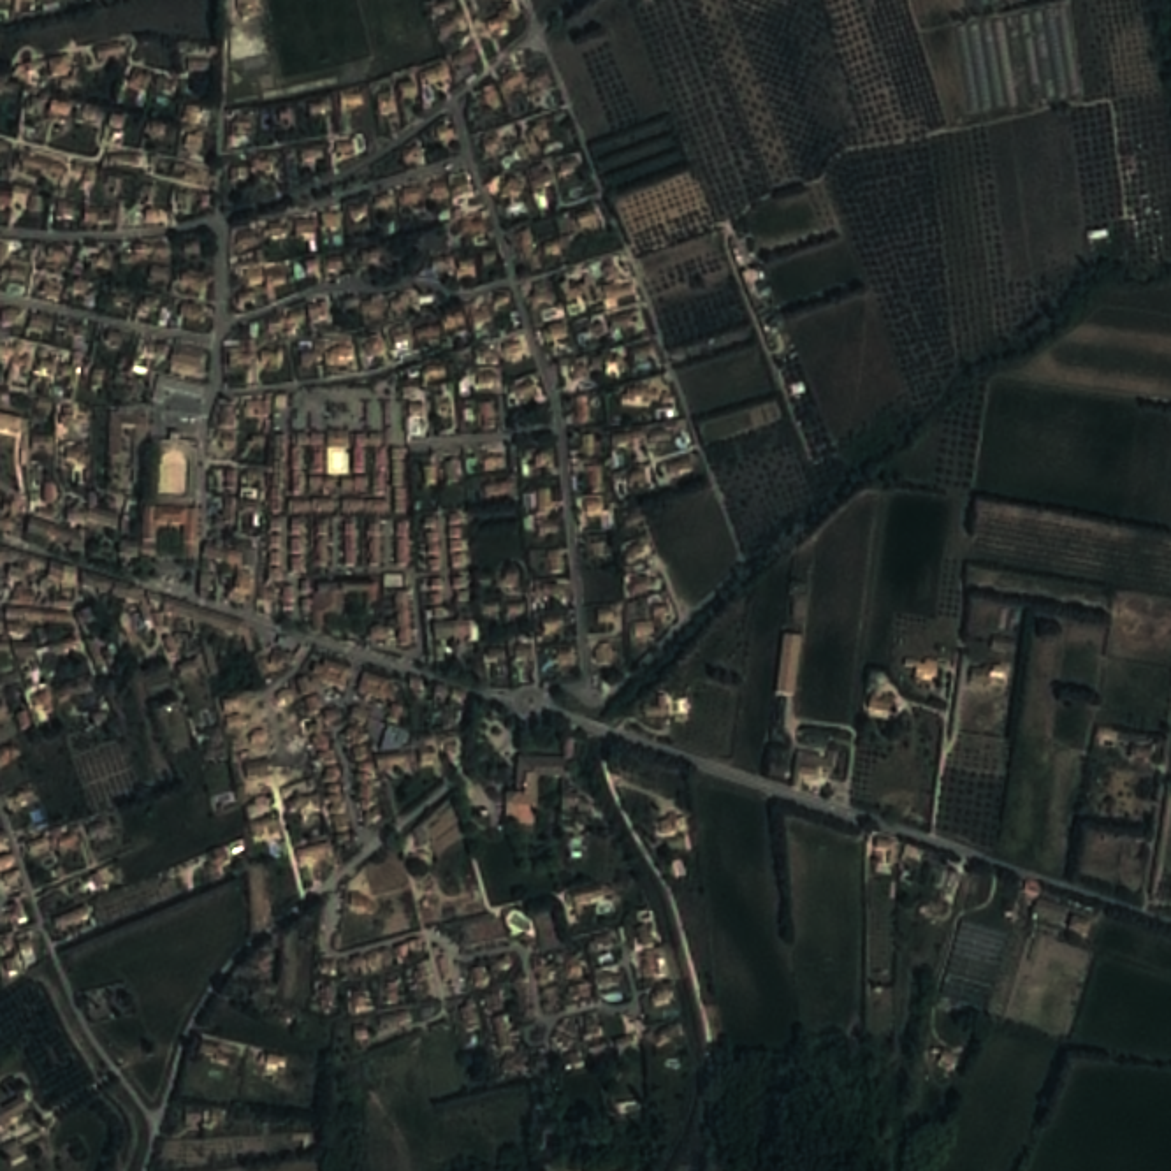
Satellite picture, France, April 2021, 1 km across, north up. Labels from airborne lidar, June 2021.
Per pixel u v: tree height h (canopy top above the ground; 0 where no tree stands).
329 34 0
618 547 9
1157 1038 0
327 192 10
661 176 10
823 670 0
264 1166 13
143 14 0
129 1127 9
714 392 0
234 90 0
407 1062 0
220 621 0
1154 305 0
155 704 9
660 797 0
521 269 8
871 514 0
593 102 0
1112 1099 0
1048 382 0
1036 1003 0
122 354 6
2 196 0
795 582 11
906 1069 6
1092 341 0
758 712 0
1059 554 0
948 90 0
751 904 0
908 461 0
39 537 11
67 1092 10
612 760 15
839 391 0
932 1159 16
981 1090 0
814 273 0
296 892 0
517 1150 13
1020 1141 0
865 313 0
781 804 10
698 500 0
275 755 0
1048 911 0
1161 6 15
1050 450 0
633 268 0
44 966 0
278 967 10
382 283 7
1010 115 0
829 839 0
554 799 11
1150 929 15
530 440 10
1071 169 0
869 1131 14
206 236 13
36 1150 10
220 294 0
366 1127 6
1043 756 0
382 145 0
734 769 0
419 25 0
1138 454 0
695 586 0
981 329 0
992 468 0
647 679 11
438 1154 0
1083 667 0
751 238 5
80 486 8
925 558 0
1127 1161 0
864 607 0
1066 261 0
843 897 0
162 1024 0
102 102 8
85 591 7
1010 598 12
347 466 0
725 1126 25
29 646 0
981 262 0
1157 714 0
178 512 0
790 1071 21
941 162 0
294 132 10
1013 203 0
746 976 0
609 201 9
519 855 13
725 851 0
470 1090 7
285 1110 7
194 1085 0
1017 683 8
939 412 7
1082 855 9
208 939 0
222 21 16
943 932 0
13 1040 11
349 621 9
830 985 0
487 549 0
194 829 0
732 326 6
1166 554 0
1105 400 0
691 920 0
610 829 8
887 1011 0
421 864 12
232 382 8
